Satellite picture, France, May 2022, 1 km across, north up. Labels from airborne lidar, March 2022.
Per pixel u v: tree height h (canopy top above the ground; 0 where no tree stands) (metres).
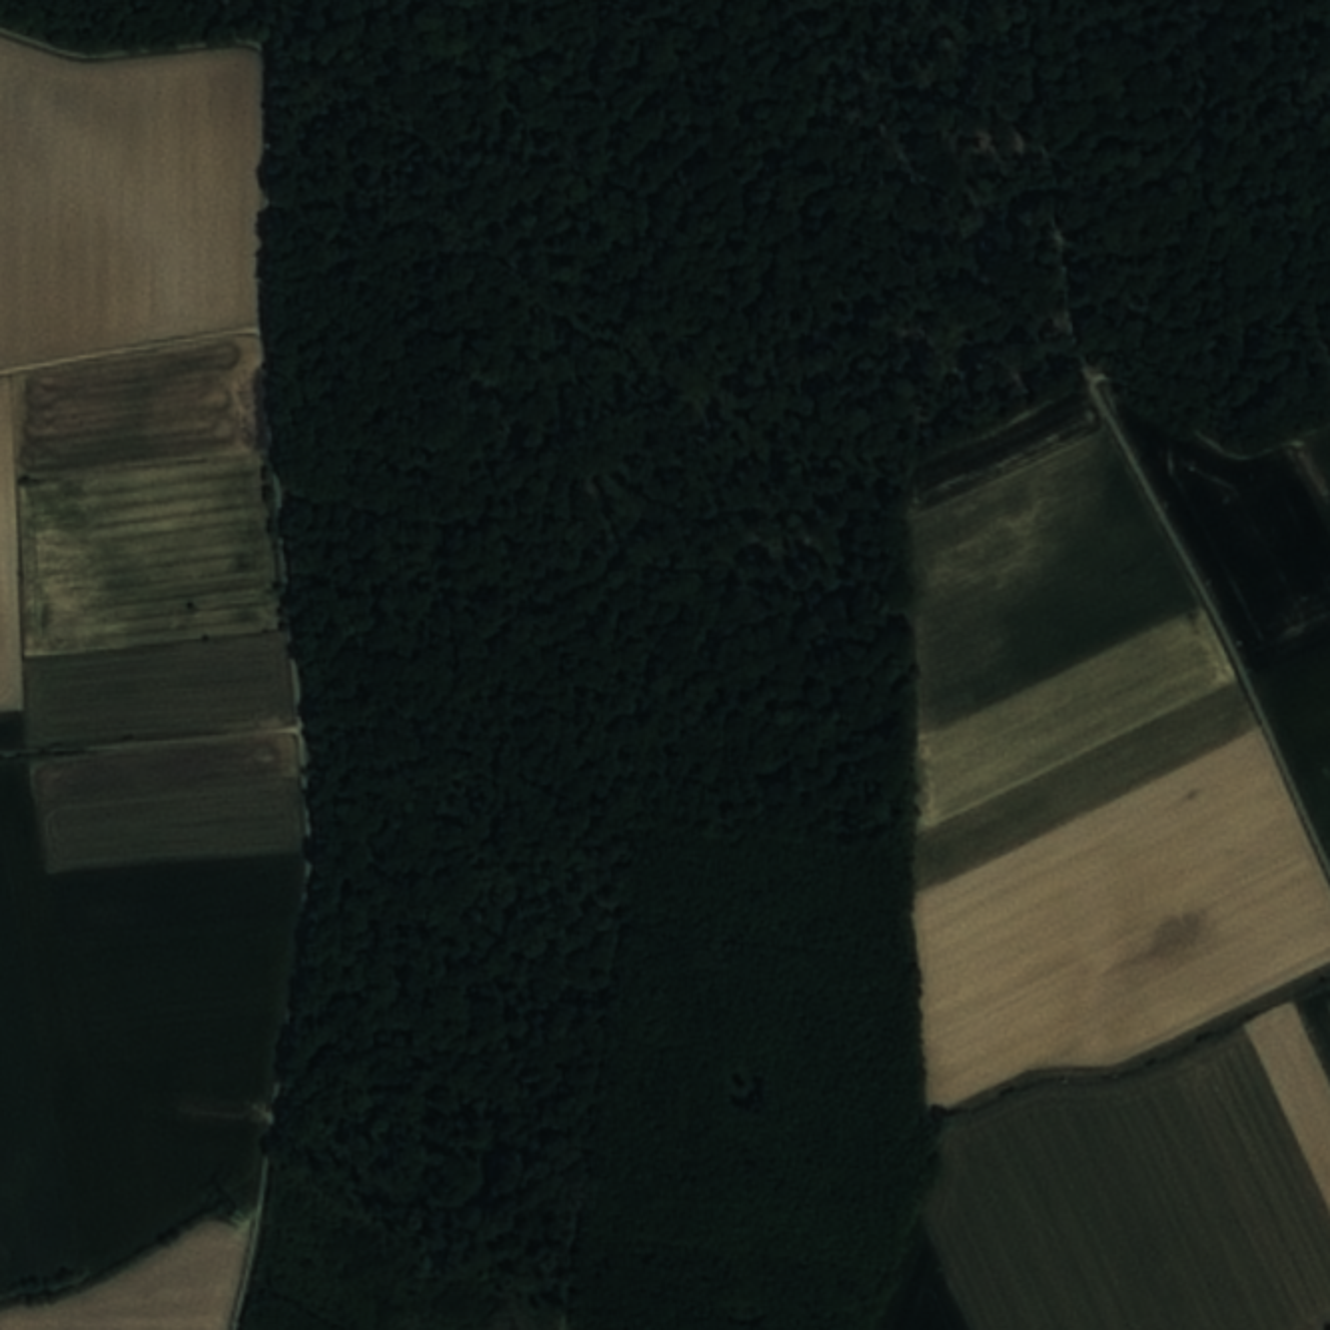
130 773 0
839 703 33
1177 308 31
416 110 27
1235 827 0
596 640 29
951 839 0
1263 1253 0
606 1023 22
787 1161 19
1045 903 0
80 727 0
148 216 0
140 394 0
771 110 28
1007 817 0
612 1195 19
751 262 28
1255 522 0
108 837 0
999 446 0
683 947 19
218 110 0
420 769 29
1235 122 30
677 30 23
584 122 28
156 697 0
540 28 27
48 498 0
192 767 0
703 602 26
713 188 29
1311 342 28
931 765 0
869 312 30
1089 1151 0
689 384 0
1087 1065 0
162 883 0
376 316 31
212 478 0
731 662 28
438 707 25
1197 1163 0
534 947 28
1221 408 19
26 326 0
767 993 21
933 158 33
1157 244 14
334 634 28
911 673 18
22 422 0
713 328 26
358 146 25
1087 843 0
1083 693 0
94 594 0
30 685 0
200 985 0
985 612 0
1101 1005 0
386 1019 28
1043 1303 0
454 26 26
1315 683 0
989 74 27
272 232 19
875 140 24
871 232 28
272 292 20
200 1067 0
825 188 26
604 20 26
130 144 0
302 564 21
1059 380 23
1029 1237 0
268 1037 0
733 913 16
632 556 23
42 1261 0
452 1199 33
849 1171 18
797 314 29
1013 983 0
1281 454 0
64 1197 0
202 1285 0
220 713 0
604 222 29
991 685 0
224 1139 0
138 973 0
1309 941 0
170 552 0
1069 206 28
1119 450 0
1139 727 0
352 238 25
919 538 0
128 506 0
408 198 29
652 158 28
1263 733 0
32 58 0
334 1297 0
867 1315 14
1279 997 0
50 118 0
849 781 32
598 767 28
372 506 21
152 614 0
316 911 16
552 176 30
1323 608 0
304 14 31
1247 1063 0
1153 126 32
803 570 29
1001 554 0
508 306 26
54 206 0
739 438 25
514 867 30
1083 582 0
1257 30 29
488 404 26
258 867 0
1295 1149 0
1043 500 0
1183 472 0
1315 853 0
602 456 26
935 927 0
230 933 0
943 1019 0
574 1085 25
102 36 14
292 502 14
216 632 0
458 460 26
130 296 0
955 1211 0
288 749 0
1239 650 0
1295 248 29
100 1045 0
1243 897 0
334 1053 23
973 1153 0
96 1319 0
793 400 27
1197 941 0
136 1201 0
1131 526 0
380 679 29
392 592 28
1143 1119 0
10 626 0
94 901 0
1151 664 0
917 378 28
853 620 29
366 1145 28
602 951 28
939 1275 0
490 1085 30
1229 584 0
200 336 0
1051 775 0
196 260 0
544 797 31
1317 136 27
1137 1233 0
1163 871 0
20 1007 0
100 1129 0
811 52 25
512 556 26
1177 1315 0
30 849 0
